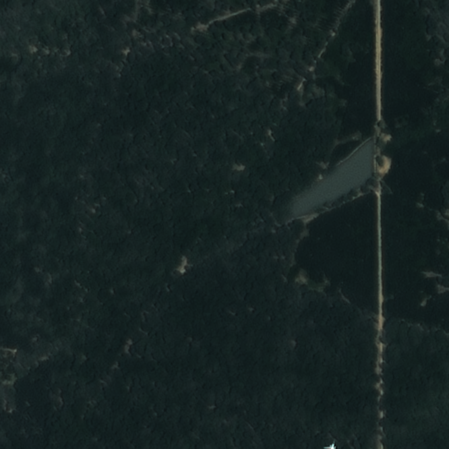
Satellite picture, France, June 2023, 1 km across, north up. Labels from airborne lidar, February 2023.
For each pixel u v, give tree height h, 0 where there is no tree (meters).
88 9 23
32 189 23
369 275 12
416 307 8
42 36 25
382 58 9
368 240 12
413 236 10
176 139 28
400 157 11
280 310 22
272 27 10
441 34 27
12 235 24
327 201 0
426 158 9
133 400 26
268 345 25
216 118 28
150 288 24
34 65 19
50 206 23
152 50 27
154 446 28
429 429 21
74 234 25
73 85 22
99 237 26
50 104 25
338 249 9
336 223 12
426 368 23
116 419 26
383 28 8
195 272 24
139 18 7
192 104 28
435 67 8
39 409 19
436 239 10
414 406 26
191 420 26
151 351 28
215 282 22
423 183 8
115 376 25
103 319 23
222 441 26
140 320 26
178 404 29
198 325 26
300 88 0
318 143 26
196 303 24
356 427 28
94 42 27
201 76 30
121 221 29
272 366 29
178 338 27
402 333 23
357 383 21
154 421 25
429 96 9
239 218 23
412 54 11
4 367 0
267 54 27
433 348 25
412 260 12
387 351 10
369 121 10
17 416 18
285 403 21
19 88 20
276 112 21
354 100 8
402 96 7
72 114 22
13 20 27
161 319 24
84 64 21
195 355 29
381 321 0
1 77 19
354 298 12
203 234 16
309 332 29
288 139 26
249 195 16
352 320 29
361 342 28
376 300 10
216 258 25
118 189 27
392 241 9
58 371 22
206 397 25
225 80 27
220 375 26
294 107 27
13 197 21
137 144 26
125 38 27
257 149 25
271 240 25
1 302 21
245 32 25
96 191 25
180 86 26
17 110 23
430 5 27
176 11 24
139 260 23
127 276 28
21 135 23
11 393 27
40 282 25
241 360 25
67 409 21
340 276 11
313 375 24
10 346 18
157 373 26
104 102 26
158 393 27
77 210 23
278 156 28
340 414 28
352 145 7
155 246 26
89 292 15
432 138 8
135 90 26
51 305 27
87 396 19
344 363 27
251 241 25
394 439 26
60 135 17
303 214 0
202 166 24
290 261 22
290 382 27
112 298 14
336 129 22
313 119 26
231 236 20
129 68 24
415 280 10
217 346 29
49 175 22
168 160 25
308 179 24
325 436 23
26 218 20
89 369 29
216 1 27
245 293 26
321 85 7
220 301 24
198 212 22
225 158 25
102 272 27
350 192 0
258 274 25
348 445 25
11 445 24
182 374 25
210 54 28
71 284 29
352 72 10
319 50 24
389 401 26
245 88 27
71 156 23
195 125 27
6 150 20
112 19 27
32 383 14
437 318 11
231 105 29
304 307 29
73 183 22
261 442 24
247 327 29
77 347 18
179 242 29
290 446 24
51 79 24
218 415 28
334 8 10
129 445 25
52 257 26
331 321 14
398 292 10
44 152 25
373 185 24
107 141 32
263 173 26
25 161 25
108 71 24
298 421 27
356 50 22
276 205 22
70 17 13
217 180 27
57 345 30
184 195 14
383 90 9
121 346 23
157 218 28
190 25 24
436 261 10
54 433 26
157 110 26
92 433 23
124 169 29
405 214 13
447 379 21
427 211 8
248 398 24
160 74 22
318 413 25
